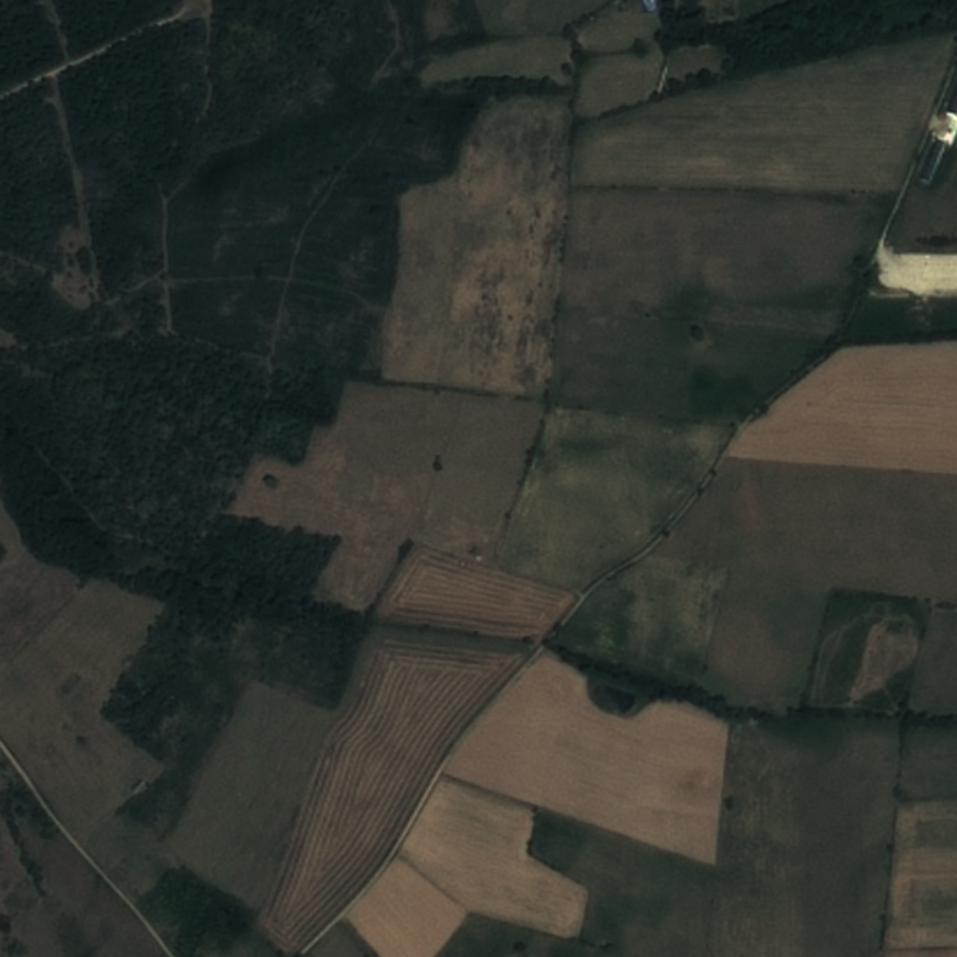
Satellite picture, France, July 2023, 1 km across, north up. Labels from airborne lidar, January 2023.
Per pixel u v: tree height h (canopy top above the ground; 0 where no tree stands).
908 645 0
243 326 0
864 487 0
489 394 0
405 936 0
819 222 0
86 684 0
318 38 13
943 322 0
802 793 0
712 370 0
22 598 0
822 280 0
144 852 0
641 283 0
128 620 0
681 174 0
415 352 0
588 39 0
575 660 19
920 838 0
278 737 0
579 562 0
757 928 0
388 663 0
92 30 7
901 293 0
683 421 0
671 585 0
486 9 0
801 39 23
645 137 0
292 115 0
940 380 0
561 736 0
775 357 0
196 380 10
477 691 0
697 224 0
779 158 0
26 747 0
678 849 0
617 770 0
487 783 0
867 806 0
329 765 0
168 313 14
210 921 8
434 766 0
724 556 0
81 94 10
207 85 9
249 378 11
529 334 0
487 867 0
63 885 0
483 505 0
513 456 0
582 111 0
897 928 0
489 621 0
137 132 8
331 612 17
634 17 0
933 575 0
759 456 0
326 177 16
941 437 0
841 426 0
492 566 0
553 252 0
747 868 0
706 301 0
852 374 0
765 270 0
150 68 8
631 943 0
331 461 0
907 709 10
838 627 0
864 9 8
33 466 22
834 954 0
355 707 0
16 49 8
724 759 0
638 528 0
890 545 0
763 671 0
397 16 0
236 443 10
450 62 0
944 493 0
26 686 0
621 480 0
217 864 0
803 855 0
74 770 0
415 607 0
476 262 0
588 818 0
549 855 0
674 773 0
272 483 13
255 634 0
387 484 0
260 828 0
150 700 12
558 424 0
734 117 0
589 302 0
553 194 0
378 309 0
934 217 0
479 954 0
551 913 0
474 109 18
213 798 0
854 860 0
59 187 6
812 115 0
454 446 0
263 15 10
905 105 0
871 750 0
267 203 0
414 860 0
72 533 21
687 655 0
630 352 0
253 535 12
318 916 0
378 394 0
